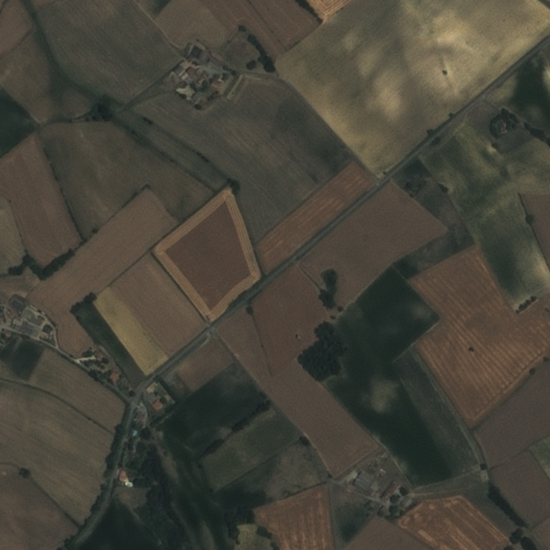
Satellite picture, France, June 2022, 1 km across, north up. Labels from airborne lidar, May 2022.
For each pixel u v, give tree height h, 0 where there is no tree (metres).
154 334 0
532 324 0
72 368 0
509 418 0
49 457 0
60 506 0
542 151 0
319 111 0
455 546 0
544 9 0
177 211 0
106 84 0
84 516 0
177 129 0
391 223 0
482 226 0
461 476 0
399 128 0
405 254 0
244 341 0
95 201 0
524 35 0
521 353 0
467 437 0
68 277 0
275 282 0
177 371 0
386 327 0
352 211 0
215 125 0
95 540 0
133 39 0
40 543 0
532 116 0
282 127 0
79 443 0
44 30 0
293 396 0
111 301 0
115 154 0
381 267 0
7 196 0
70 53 0
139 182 0
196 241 0
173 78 0
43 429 0
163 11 0
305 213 0
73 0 0
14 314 0
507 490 0
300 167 0
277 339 0
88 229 0
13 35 0
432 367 0
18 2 0
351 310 0
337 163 0
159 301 0
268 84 0
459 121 0
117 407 0
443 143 0
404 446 0
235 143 0
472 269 0
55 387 0
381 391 0
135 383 0
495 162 0
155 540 0
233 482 0
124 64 0
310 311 0
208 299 0
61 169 0
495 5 0
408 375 0
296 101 0
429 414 0
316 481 0
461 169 0
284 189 0
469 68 0
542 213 0
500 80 0
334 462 0
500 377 0
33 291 0
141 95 0
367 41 0
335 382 0
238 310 0
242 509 18
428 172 0
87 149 0
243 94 0
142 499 0
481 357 0
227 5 0
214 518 0
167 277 0
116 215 0
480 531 0
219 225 0
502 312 0
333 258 0
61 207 0
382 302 0
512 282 0
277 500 0
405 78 0
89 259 0
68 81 0
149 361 0
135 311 0
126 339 0
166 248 0
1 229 0
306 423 0
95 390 0
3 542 0
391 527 0
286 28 0
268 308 0
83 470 0
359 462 0
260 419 0
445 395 0
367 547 0
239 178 0
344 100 0
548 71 0
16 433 0
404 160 0
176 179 0
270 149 0
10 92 0
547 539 0
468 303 0
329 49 0
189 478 0
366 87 0
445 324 0
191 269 0
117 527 0
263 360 0
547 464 0
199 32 0
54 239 0
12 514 0
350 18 0
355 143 0
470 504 0
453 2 0
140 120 0
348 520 0
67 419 0
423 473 0
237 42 0
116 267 0
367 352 0
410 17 0
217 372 0
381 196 0
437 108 0
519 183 0
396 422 0
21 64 0
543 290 0
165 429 0
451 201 0
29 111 0
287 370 0
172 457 0
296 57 0
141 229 0
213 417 0
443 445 0
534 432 0
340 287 0
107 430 0
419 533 0
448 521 0
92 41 0
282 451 0
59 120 0
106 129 0
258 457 0
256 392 0
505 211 0
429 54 0
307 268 0
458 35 0
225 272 0
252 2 0
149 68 0
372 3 0
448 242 0
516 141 0
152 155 0
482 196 0
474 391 0
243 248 0
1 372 0
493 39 0
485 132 0
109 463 15
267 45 0
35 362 0
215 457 0
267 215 0
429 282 0
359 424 0
